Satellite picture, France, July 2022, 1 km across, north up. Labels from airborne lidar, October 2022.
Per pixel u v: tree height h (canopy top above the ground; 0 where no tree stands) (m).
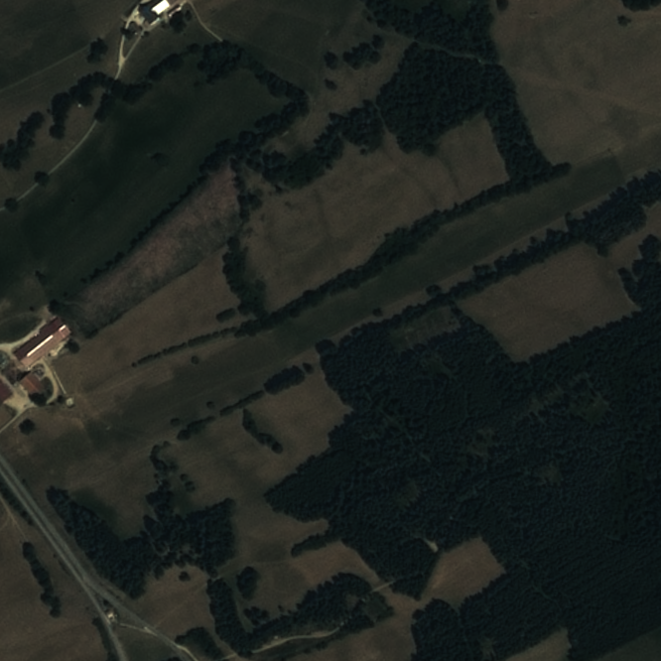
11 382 0
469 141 0
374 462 15
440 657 26
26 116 0
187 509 0
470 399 11
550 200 0
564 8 0
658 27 0
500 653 15
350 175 0
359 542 13
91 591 0
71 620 0
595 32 0
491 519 16
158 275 0
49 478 0
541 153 12
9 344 0
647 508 19
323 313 0
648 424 11
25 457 0
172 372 0
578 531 21
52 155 0
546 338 0
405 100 25
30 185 0
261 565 0
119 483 0
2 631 0
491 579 0
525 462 16
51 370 0
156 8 0
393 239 9
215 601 15
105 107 20
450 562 0
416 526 25
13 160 19
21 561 0
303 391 0
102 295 0
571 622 16
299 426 0
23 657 0
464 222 0
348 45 0
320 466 12
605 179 0
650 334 16
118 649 0
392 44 0
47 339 0
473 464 23
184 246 0
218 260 0
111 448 0
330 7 0
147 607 0
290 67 0
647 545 16
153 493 0
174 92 0
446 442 23
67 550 0
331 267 0
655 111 0
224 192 0
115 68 0
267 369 0
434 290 12
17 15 0
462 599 0
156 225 16
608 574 17
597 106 0
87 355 0
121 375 0
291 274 0
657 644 0
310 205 0
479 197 9
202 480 0
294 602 0
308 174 9
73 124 0
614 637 22
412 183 0
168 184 0
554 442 26
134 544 20
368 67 0
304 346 0
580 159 0
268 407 0
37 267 0
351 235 0
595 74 0
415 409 20
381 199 0
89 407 0
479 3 15
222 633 14
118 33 0
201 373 0
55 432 0
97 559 31
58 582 0
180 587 0
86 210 0
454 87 25
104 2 0
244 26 0
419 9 0
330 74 0
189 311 0
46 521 0
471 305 0
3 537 0
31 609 0
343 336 0
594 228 24
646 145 0
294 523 0
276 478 0
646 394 19
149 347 0
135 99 22
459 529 27
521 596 18
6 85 0
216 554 20
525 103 0
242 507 0
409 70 17
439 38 18
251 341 0
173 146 0
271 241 0
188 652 0
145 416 0
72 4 0
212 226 0
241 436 0
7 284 0
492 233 0
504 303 0
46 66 0
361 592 17
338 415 0
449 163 0
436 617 18
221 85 0
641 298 25
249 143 18
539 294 0
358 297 0
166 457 0
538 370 13
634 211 20
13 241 0
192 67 0
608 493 19
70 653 0
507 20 0
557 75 0
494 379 9
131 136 0
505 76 23
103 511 0
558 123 0
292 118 22
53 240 0
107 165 0
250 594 8
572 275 0
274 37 0
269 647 0
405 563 20
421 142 17
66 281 0
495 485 19
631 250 0
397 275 0
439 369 0
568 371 17
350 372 29
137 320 0
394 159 0
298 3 0
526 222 0
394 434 23
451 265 0
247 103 0
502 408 12
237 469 0
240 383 0
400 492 30
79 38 0
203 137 0
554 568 19
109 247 0
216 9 0
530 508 29
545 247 17
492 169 0
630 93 0
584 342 19
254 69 21
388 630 0
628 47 0
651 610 22
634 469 8
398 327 21
